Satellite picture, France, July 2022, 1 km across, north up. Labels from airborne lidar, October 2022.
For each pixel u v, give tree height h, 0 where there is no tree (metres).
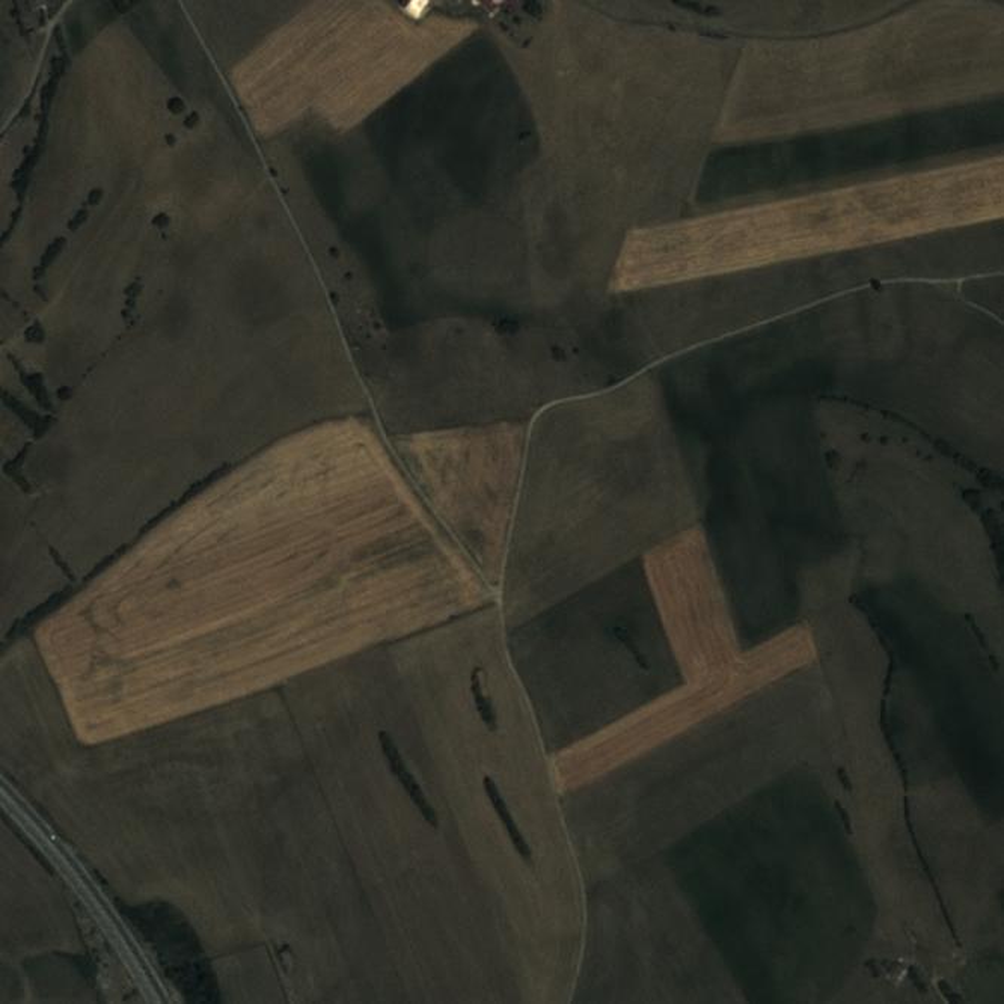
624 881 0
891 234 0
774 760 0
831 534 0
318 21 0
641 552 0
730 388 0
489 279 0
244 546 0
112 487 0
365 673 0
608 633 0
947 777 0
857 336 0
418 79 0
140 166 0
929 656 0
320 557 0
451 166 0
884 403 0
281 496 0
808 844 0
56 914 0
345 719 0
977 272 0
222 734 0
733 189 0
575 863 0
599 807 0
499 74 0
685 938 0
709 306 0
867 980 0
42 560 0
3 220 0
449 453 0
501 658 0
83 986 0
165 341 0
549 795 0
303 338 0
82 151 0
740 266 0
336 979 0
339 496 0
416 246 0
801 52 0
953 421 0
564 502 0
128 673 0
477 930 0
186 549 0
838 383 0
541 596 0
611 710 0
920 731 0
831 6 0
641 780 0
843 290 0
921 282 0
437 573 0
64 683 0
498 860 0
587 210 0
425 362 0
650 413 0
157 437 0
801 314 0
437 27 0
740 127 0
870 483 0
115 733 0
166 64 0
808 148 0
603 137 0
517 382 0
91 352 0
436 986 0
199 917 0
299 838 0
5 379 0
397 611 0
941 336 0
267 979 0
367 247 0
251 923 0
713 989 0
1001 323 0
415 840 0
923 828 0
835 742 0
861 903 0
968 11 0
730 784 0
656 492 0
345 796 0
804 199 0
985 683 0
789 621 0
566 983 0
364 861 0
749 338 0
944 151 0
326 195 0
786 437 0
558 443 0
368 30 0
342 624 0
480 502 0
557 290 0
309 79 0
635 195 0
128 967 0
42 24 6
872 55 0
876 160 0
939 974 0
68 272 0
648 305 0
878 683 0
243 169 0
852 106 0
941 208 0
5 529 0
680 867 0
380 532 0
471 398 0
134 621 0
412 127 0
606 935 0
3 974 0
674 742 0
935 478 0
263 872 0
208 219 0
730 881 0
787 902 0
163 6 0
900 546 0
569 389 0
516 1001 0
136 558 0
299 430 0
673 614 0
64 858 0
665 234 0
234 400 0
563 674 0
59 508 0
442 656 0
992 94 0
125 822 0
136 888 0
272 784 0
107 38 0
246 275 0
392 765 7
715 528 0
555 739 0
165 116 0
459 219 0
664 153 0
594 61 0
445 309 0
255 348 0
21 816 0
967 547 0
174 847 0
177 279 0
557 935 0
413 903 0
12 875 0
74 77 0
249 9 0
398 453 0
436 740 0
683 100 0
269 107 0
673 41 0
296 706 0
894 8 0
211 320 0
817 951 0
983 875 0
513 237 0
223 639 0
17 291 0
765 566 0
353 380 0
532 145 0
